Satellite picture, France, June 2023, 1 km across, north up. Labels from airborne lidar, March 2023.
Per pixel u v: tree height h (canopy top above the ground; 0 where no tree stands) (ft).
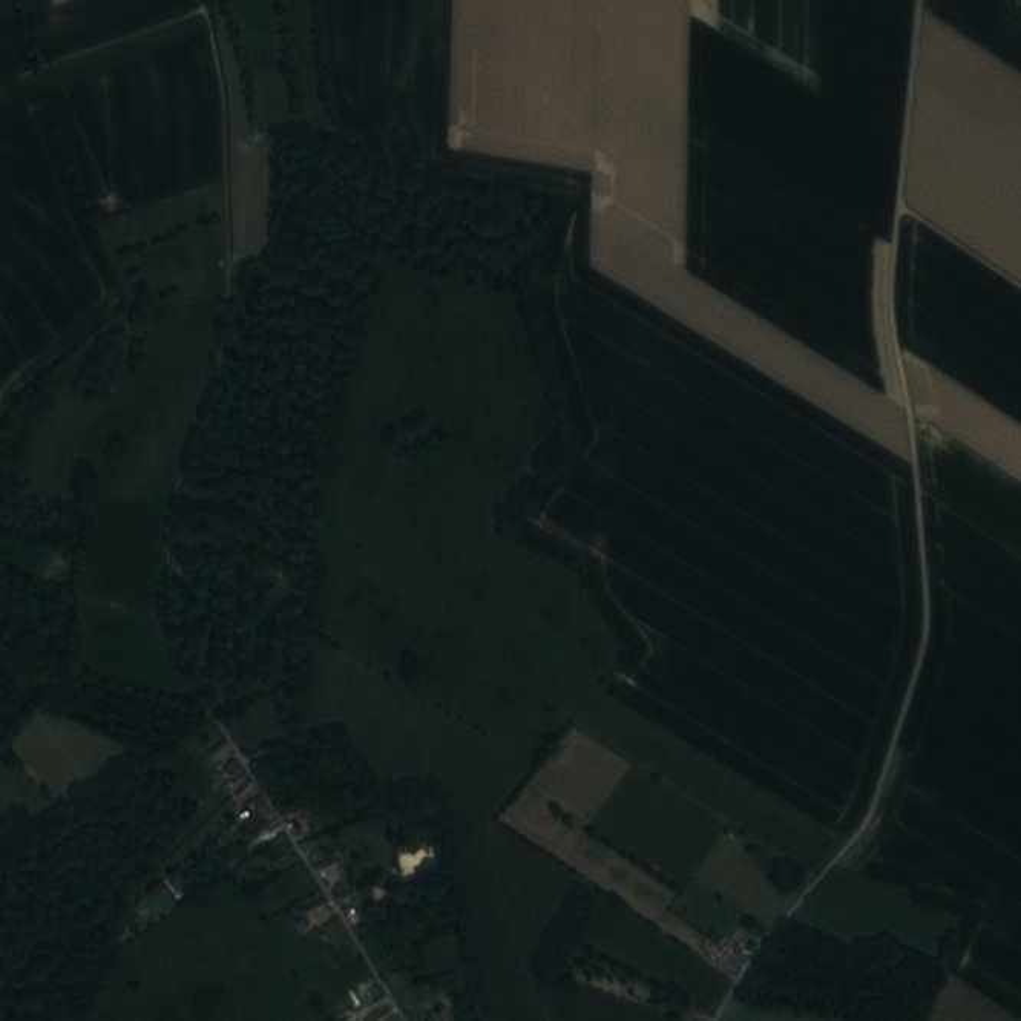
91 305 0
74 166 47
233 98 0
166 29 0
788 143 0
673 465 0
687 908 0
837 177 0
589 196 0
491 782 0
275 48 0
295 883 0
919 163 0
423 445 57
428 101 0
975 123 0
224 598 76
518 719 0
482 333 0
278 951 0
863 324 0
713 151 0
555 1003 0
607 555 0
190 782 0
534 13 0
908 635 0
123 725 34
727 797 0
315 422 84
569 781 0
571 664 0
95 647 0
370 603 0
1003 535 0
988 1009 0
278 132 57
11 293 0
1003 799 0
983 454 0
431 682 0
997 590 0
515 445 0
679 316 0
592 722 0
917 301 0
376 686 0
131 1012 0
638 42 0
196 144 0
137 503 0
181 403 0
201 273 0
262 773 43
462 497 0
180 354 0
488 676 0
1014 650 0
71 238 0
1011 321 0
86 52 0
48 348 0
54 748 0
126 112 0
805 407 0
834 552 0
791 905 0
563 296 0
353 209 79
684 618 0
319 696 0
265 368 71
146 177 0
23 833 115
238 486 52
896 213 0
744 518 0
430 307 0
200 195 0
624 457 0
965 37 0
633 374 0
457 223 94
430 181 77
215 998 0
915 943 0
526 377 0
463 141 0
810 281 0
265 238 0
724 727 0
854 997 73
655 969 0
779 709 0
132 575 0
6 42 0
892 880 0
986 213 0
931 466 0
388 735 0
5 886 94
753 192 0
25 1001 76
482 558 0
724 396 0
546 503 0
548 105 0
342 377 68
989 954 0
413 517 0
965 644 0
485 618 0
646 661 0
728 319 0
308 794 24
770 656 0
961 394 0
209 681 74
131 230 0
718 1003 0
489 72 0
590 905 89
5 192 0
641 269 0
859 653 0
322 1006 60
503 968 0
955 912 0
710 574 0
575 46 0
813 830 0
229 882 38
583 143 0
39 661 81
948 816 0
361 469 0
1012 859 0
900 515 0
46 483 0
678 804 0
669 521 0
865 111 0
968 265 0
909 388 0
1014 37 0
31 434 0
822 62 0
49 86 0
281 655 65
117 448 64
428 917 21
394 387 0
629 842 0
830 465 0
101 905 83
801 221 0
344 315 65
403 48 0
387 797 73
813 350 0
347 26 0
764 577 0
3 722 76
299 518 52
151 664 0
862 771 0
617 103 0
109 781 73
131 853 79
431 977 24
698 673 0
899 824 0
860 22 0
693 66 0
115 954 64
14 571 54
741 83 0
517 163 0
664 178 0
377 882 33
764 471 0
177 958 0
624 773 0
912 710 0
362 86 0
